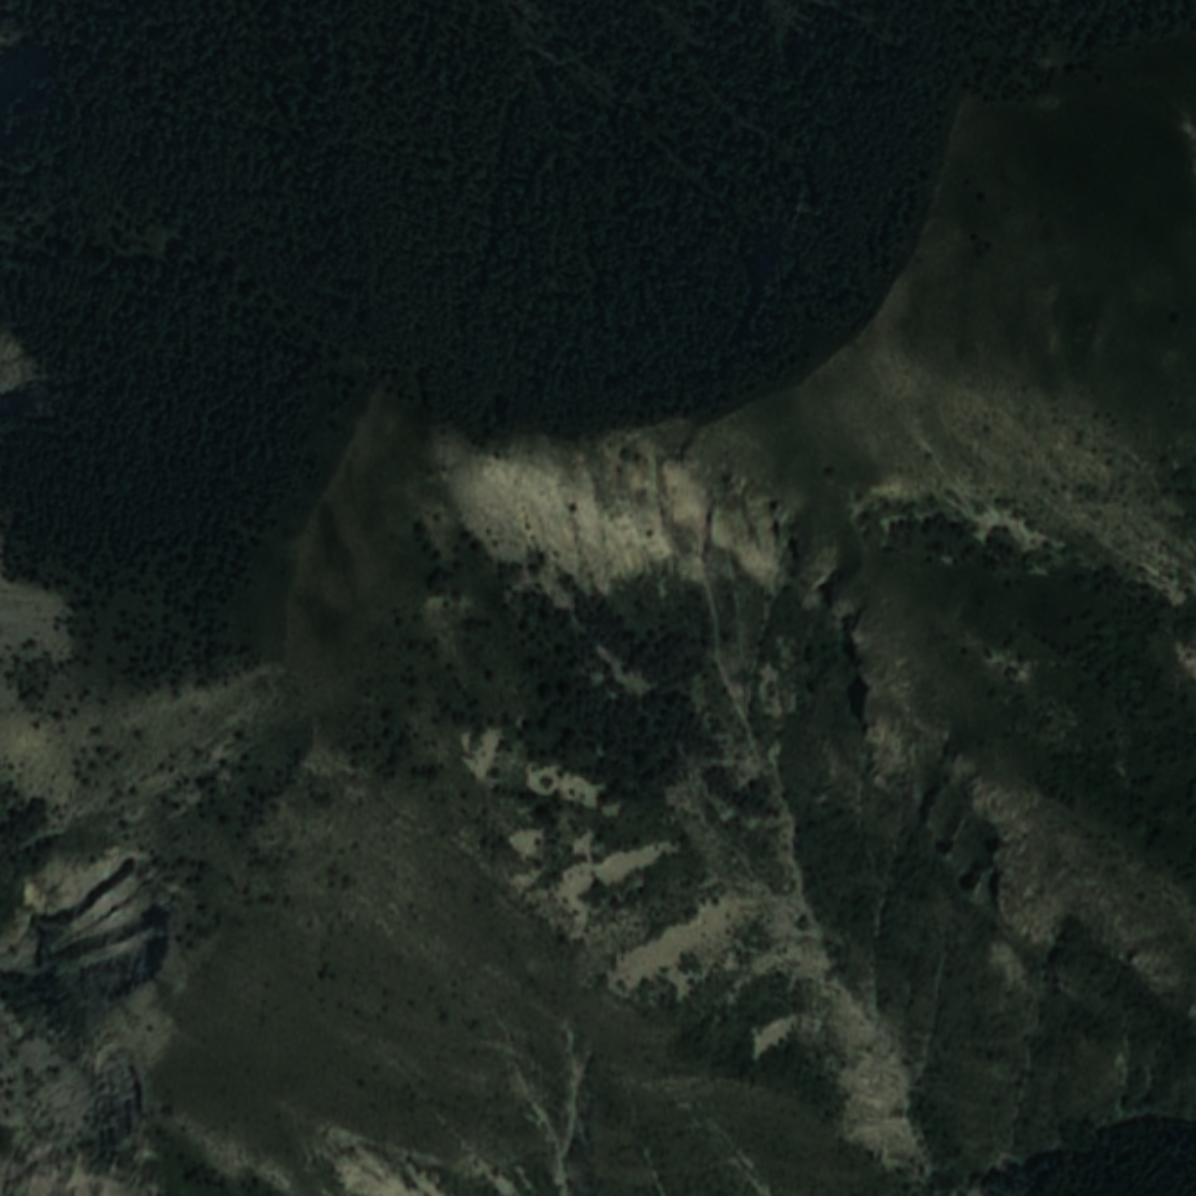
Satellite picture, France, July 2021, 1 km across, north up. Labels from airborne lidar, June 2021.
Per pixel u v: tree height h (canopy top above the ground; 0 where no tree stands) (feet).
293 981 0
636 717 36
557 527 0
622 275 53
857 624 0
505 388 71
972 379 0
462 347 85
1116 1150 23
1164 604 38
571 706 42
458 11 72
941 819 0
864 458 0
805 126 63
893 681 0
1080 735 26
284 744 0
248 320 34
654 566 0
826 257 57
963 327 0
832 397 0
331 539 0
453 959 0
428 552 32
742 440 0
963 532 47
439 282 52
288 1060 0
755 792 20
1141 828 34
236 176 26
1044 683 0
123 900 0
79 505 38
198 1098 0
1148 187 0
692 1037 27
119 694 0
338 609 0
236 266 47
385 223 52
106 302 63
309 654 0
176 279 73
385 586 0
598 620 47
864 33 28
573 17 42
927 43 55
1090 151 0
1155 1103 26
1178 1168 45
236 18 68
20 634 0
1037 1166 49
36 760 0
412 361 55
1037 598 0
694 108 32
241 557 36
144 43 88
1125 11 66
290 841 0
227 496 35
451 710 30
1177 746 30
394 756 31
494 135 32
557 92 53
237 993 0
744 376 52
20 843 30
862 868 20
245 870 0
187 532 34
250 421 59
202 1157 0
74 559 36
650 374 66
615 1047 0
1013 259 0
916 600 0
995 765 0
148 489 52
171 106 27
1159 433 0
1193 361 0
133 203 68
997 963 0
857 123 61
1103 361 0
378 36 54
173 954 0
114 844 0
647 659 36
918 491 0
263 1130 0
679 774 21
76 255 85
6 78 0
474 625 37
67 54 56
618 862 0
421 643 29
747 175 36
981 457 0
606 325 36
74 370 54
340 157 56
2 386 0
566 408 59
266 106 81
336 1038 0
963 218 0
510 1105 0
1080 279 0
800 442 0
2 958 0
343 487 0
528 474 0
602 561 0
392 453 0
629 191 42
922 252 0
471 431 45
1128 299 0
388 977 0
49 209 31
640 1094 0
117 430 47
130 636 26
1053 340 0
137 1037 0
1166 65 0
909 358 0
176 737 0
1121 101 0
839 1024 0
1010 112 0
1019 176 0
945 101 29
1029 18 46
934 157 27
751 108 57
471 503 0
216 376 54
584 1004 0
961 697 0
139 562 26
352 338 40
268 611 0
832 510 0
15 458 51
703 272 51
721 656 0
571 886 0
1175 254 0
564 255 42
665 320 56
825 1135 0
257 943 0
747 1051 28
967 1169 28
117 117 98
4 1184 0
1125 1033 19
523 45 19
